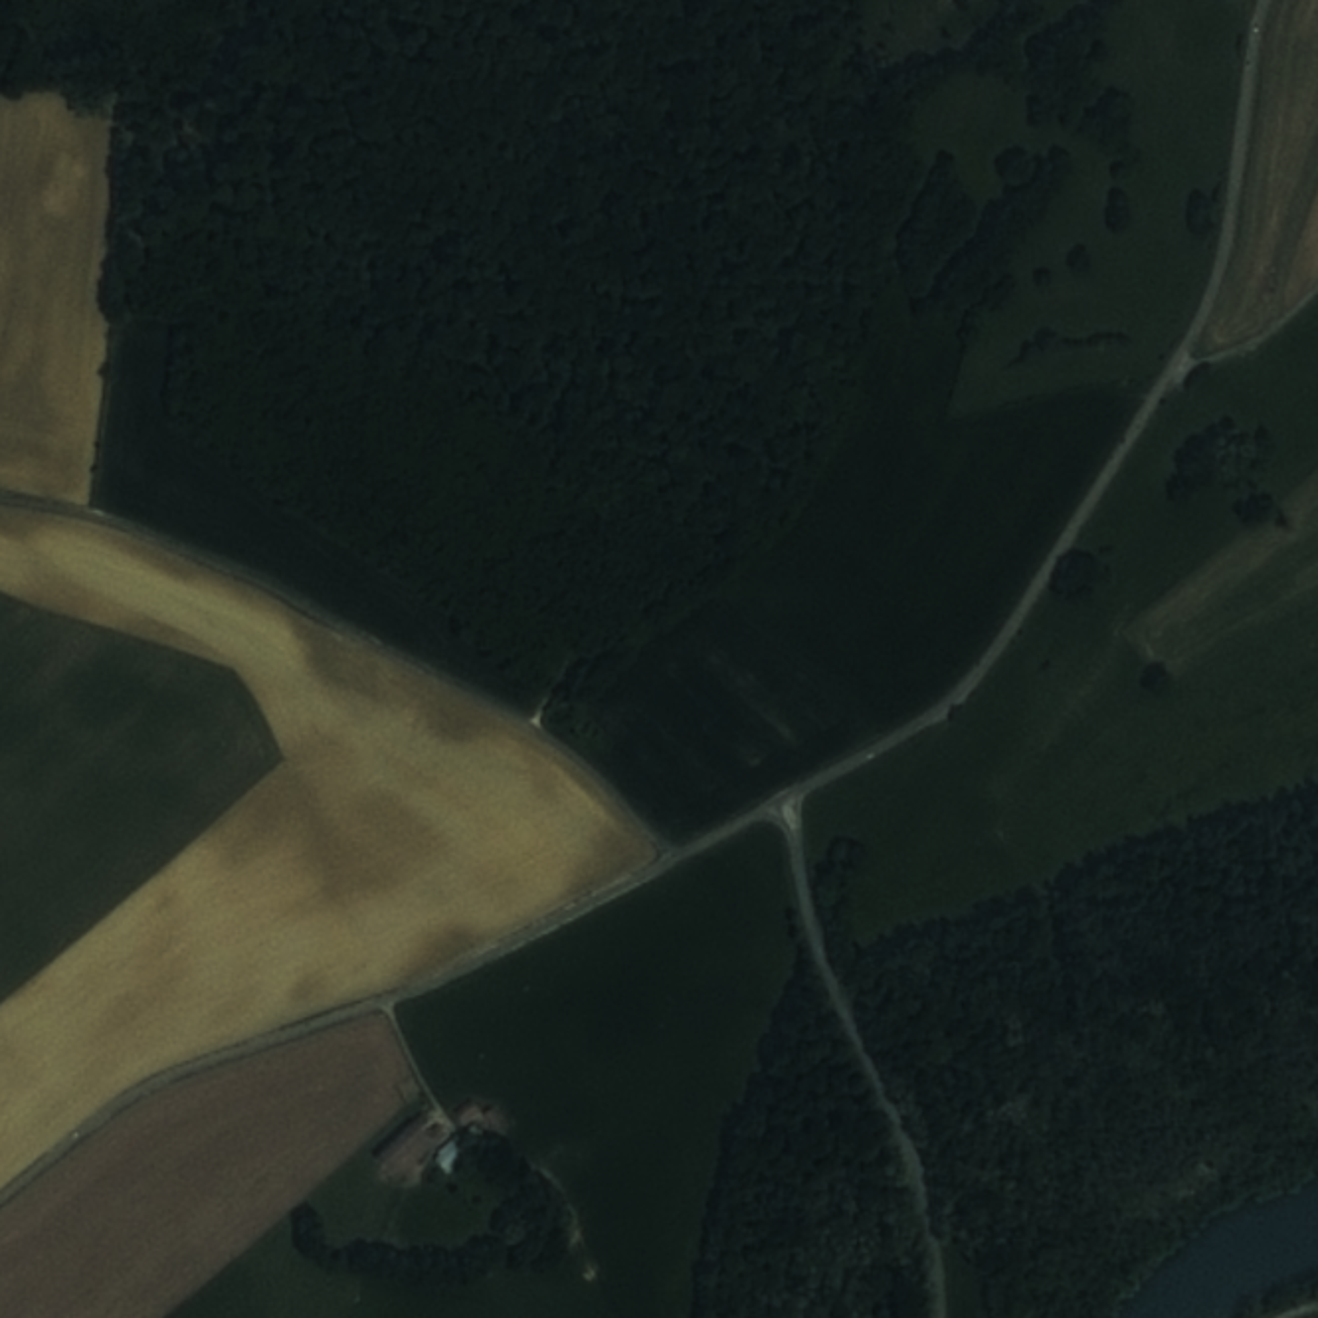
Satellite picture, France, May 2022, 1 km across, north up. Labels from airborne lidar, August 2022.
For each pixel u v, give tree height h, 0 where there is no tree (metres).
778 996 0
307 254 21
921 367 0
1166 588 0
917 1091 24
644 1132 0
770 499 28
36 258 0
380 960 0
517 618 15
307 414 14
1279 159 0
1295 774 0
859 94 25
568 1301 0
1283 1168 19
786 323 25
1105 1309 22
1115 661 0
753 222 27
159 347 0
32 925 0
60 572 0
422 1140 0
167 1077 0
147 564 0
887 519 0
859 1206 24
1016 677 0
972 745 0
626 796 0
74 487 0
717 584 21
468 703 0
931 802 0
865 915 0
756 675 0
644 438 27
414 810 0
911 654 0
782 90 27
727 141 31
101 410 0
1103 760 0
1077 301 0
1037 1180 27
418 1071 0
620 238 30
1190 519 0
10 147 0
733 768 0
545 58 26
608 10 25
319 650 0
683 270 31
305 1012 0
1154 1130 21
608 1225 0
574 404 27
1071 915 20
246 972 0
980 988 27
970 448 0
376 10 30
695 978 0
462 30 24
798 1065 26
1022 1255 22
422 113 30
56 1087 0
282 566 0
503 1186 16
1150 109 0
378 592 0
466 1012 0
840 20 23
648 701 0
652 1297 0
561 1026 0
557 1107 0
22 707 0
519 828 0
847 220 23
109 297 18
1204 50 0
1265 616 0
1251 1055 13
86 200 0
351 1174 0
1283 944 17
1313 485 0
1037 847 0
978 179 0
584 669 12
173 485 0
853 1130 29
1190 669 0
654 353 28
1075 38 19
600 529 18
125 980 0
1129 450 0
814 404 23
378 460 14
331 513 13
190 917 0
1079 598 17
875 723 0
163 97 9
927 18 0
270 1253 0
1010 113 0
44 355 0
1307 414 0
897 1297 29
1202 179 0
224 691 0
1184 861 23
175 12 6
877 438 0
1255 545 0
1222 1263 0
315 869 0
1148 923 21
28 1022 0
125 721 0
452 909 0
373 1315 0
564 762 0
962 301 19
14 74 27
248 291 14
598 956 0
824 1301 24
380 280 26
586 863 0
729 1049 0
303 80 34
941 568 0
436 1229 0
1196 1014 24
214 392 12
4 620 0
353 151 31
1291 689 0
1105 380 0
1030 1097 24
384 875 0
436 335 29
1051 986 28
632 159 25
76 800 0
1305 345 0
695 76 29
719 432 24
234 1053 0
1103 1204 12
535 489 14
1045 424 0
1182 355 0
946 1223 23
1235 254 0
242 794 0
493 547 11
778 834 0
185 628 0
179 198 29
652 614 21
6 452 0
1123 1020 26
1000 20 14
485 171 30
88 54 30
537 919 0
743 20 26
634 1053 0
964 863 0
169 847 0
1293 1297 8
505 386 25
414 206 27
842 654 0
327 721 0
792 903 0
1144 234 0
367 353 29
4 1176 0
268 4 28
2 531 0
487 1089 0
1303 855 20
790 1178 20
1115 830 0
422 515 14
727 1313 21
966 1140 28
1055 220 0
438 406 11
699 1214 0
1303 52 0
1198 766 0
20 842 0
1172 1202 8
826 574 0
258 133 7
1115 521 0
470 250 13
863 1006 12
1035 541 0
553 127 21
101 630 0
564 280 32
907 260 17
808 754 0
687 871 0
